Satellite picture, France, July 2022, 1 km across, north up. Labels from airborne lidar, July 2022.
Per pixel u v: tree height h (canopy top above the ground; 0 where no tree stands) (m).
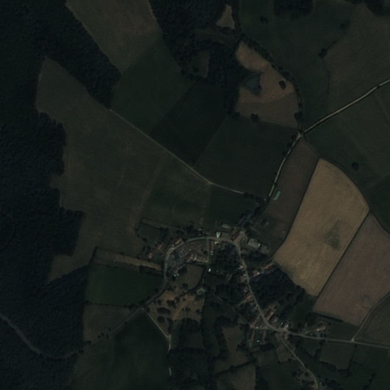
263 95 0
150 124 0
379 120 0
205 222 0
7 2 16
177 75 0
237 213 0
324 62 0
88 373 0
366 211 0
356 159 0
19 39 15
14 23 15
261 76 0
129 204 0
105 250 0
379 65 0
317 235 0
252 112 0
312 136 0
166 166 0
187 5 17
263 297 17
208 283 0
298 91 8
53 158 24
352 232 0
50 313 19
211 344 15
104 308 0
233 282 20
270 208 0
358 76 0
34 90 16
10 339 20
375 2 23
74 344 15
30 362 17
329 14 0
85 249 0
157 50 0
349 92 0
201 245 0
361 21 0
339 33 0
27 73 15
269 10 0
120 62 0
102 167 0
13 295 18
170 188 0
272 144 0
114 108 0
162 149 0
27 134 11
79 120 0
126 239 0
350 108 0
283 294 17
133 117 0
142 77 0
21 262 24
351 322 0
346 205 0
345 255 0
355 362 7
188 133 0
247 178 0
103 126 0
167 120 0
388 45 0
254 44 12
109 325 0
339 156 0
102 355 0
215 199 0
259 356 0
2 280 21
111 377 0
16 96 18
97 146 0
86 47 23
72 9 0
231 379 0
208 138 0
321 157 0
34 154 17
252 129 0
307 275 0
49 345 15
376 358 0
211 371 18
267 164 0
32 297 16
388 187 0
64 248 15
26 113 18
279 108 0
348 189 0
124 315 0
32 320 12
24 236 19
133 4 0
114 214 0
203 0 18
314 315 7
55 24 21
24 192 8
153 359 0
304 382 12
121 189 0
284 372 0
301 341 16
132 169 0
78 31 22
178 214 0
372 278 0
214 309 17
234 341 0
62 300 20
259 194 0
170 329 11
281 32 0
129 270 0
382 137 0
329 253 0
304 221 0
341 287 0
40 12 19
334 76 0
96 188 0
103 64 19
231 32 14
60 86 0
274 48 0
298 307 0
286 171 0
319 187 0
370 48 0
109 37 0
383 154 0
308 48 0
